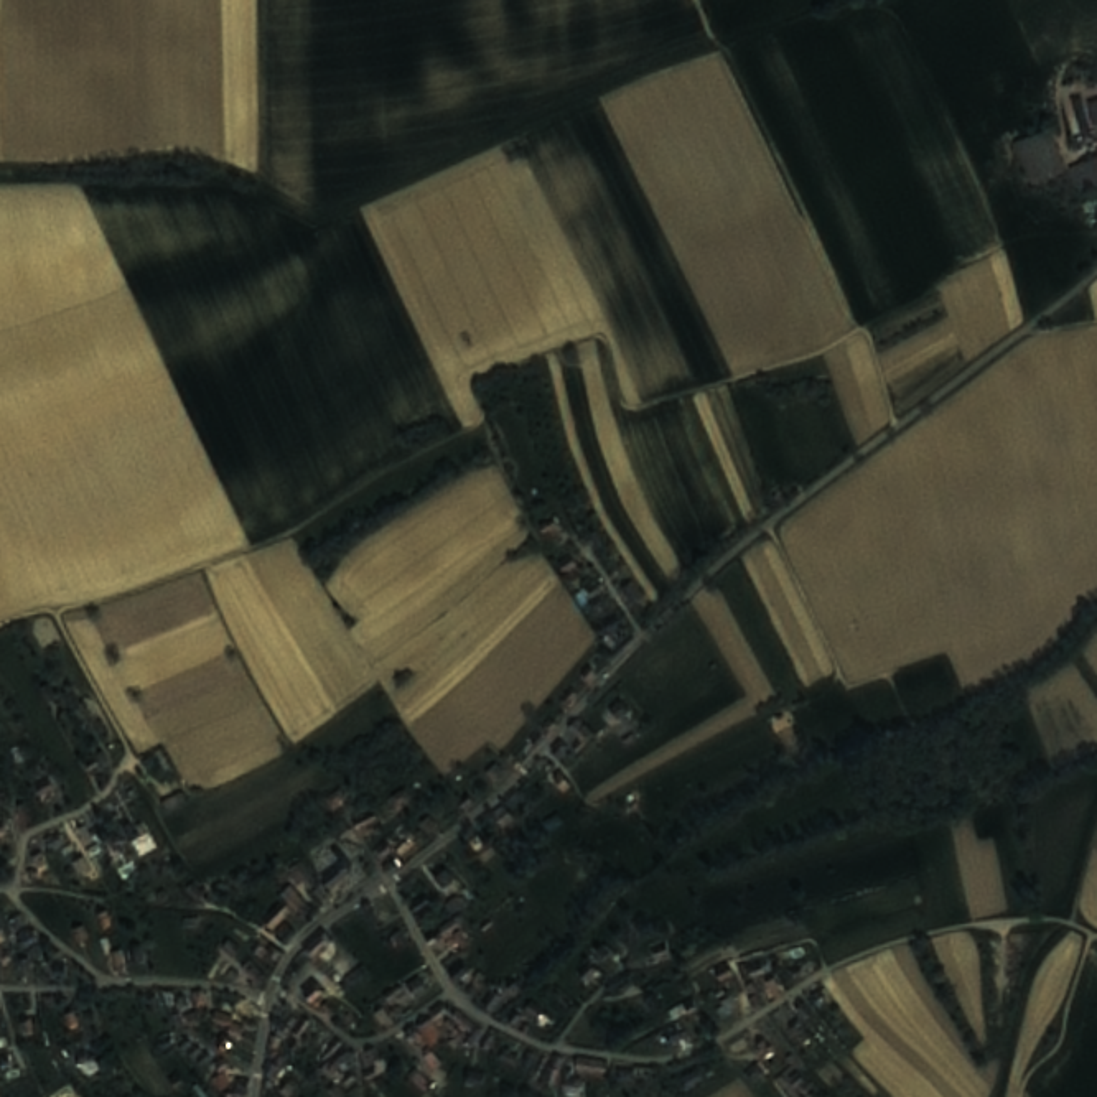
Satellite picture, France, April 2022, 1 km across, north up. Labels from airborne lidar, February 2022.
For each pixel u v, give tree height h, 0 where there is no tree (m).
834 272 0
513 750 0
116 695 0
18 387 0
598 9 0
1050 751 0
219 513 0
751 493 0
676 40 0
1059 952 0
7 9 0
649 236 0
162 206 0
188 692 0
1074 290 0
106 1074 7
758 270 0
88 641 0
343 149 0
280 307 0
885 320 0
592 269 0
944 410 0
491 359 0
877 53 0
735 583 0
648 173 0
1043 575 0
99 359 0
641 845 0
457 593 0
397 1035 0
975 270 0
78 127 0
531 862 22
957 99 0
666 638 0
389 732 13
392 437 0
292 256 0
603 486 0
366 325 0
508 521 0
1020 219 0
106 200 0
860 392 0
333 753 13
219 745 0
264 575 0
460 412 0
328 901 0
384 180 0
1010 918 0
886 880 0
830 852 0
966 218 0
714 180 0
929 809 19
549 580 0
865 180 0
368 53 0
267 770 0
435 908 12
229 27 0
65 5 0
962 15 0
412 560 0
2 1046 0
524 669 0
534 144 0
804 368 0
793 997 0
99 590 0
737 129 0
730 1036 0
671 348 0
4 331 0
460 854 0
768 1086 0
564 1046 0
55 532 0
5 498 0
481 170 0
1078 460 0
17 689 0
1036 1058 0
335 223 0
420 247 0
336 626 0
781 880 0
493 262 0
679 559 0
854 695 0
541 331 0
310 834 17
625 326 0
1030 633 0
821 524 0
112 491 0
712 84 0
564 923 0
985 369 0
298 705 0
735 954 0
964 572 0
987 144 0
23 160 0
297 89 0
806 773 23
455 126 0
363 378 0
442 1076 0
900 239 0
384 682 0
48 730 0
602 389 0
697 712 0
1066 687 0
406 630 0
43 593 0
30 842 0
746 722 0
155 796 0
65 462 0
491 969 0
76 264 0
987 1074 0
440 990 0
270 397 0
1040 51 0
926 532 0
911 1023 0
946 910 0
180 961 0
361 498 0
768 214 0
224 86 0
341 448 0
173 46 0
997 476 0
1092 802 0
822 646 0
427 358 0
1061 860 0
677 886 0
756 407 0
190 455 0
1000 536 0
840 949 0
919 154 0
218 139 0
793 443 0
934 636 0
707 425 0
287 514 0
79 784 0
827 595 0
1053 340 0
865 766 38
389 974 0
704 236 0
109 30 0
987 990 0
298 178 0
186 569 0
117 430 0
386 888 0
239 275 0
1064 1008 0
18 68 0
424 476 0
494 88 0
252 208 0
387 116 0
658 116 0
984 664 0
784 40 0
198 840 0
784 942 0
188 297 0
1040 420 0
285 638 0
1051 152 0
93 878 0
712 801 0
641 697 0
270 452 0
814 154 0
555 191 0
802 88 0
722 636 0
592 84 0
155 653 0
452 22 0
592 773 0
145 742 0
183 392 0
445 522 0
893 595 0
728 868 23
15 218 0
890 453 0
